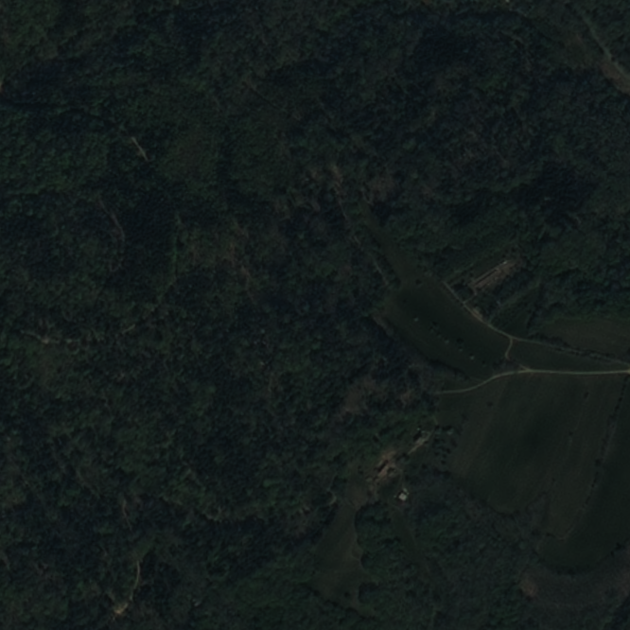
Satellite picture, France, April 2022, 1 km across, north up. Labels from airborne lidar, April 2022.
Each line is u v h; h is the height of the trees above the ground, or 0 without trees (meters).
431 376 27
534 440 0
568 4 30
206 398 30
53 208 24
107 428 29
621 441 0
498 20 23
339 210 31
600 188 21
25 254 24
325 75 30
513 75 27
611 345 0
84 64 29
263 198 15
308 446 34
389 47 27
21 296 20
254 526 27
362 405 16
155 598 17
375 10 32
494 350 0
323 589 0
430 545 25
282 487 30
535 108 35
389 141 31
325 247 31
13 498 35
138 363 26
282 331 31
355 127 28
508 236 21
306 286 25
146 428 18
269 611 18
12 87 31
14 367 32
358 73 25
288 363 28
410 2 23
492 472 0
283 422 31
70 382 22
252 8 26
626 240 28
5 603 32
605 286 21
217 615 12
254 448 29
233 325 16
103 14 20
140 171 26
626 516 0
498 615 26
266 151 10
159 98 18
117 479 31
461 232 24
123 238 18
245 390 32
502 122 29
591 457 0
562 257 21
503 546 19
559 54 18
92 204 24
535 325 14
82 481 18
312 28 30
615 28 25
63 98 22
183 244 27
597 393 0
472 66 31
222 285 23
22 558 32
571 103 32
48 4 20
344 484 27
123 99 22
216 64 30
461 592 19
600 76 31
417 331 0
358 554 0
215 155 20
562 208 16
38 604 30
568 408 0
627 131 26
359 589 0
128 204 21
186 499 14
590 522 0
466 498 9
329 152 30
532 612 17
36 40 23
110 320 13
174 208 16
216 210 19
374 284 28
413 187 31
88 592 19
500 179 30
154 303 15
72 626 36
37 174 26
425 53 18
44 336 16
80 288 30
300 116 8
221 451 31
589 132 26
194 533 33
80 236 24
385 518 14
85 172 28
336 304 31
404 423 13
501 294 16
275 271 36
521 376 0
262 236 21
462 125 32
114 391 20
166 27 22
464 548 24
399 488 0
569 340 0
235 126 17
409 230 26
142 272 21
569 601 22
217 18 24
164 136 20
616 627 21
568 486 0
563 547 0
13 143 30
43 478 34
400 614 23
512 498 0
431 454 0
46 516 38
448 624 25
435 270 18
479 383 0
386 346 28
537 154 22
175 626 18
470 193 22
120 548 37
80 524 35
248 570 24
